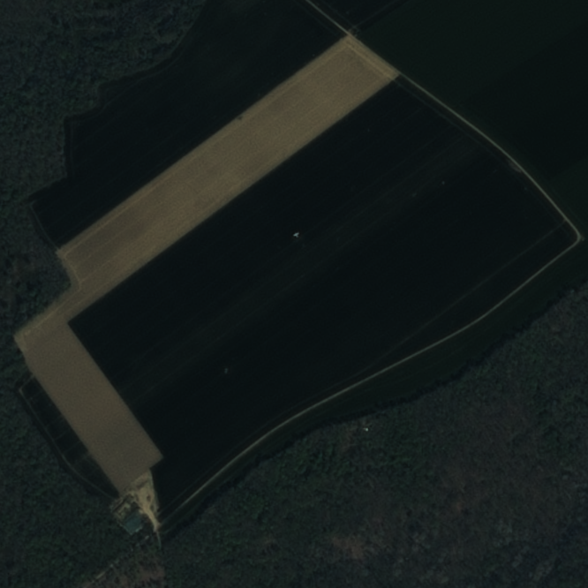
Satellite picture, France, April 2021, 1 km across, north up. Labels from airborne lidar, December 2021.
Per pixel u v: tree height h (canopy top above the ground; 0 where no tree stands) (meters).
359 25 0
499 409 28
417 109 0
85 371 0
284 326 0
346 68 0
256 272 0
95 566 6
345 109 0
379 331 0
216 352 0
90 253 0
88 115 0
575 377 27
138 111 0
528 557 26
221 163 0
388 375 0
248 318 0
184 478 0
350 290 0
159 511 0
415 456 24
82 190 0
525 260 0
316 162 0
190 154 0
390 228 0
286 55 0
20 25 22
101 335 0
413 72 0
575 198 0
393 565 28
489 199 0
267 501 22
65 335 0
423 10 0
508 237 0
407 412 20
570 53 0
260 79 0
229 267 0
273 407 0
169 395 0
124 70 17
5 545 16
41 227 0
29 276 0
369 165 0
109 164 0
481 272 0
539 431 34
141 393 0
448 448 22
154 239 0
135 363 0
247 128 0
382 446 24
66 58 20
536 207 0
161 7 15
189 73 0
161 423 0
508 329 0
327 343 0
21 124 27
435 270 0
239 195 0
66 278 18
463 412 22
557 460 25
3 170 13
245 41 0
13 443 19
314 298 0
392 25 0
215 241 0
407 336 0
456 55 0
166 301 0
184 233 0
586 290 17
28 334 0
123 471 0
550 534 26
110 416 0
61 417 0
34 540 25
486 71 0
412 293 0
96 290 0
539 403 24
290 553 24
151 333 0
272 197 0
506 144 0
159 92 0
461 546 24
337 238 0
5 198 18
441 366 0
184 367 0
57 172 22
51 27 15
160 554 18
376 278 0
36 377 0
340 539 8
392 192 0
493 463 31
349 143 0
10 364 15
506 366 19
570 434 26
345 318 0
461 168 0
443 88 0
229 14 0
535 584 29
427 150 0
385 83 0
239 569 25
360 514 20
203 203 0
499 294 0
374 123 0
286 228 0
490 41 0
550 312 19
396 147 0
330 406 0
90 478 0
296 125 0
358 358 0
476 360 0
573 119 0
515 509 21
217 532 21
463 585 26
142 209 0
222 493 16
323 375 0
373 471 24
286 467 17
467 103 0
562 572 28
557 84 0
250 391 0
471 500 29
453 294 0
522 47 0
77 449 0
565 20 0
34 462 21
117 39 26
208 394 0
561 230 0
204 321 0
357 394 0
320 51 0
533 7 0
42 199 0
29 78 13
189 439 0
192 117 0
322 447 10
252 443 0
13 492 21
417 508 26
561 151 0
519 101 0
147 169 0
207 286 0
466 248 0
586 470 22
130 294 0
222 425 0
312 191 0
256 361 0
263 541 25
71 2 17
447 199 0
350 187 0
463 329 0
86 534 23
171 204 0
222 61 0
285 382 0
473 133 0
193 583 25
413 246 0
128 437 0
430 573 34
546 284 0
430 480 23
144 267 0
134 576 20
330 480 24
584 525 22
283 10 0
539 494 24
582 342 29
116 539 18
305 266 0
